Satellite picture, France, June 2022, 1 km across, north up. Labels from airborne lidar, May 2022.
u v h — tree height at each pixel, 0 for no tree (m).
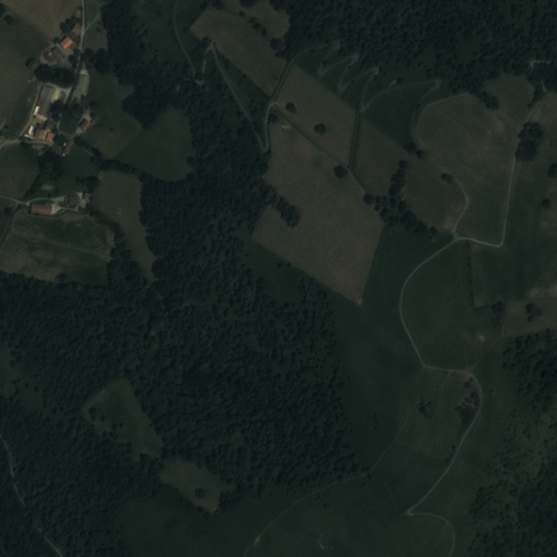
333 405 9
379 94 0
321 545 0
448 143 0
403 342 0
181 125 0
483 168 0
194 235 14
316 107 0
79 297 18
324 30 14
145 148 0
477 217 0
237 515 0
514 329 0
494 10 9
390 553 0
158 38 0
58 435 5
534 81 13
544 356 17
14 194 0
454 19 14
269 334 11
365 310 0
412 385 0
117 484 12
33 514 12
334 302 0
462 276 0
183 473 0
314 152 0
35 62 12
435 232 19
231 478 13
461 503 0
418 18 9
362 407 0
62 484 7
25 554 13
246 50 0
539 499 18
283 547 0
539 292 0
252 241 0
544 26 11
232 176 9
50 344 8
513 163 0
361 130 0
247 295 14
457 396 0
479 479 0
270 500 0
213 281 15
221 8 15
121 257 17
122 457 16
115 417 0
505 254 0
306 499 0
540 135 16
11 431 8
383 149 0
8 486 12
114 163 18
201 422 16
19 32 0
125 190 0
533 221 0
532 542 15
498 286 0
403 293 0
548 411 13
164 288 24
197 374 22
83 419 6
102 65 22
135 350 17
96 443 10
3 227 0
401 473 0
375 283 0
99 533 11
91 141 0
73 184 0
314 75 0
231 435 15
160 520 0
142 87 22
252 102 7
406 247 0
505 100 0
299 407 23
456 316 0
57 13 0
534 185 0
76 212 0
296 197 0
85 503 7
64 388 11
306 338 12
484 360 0
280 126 0
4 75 0
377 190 0
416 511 0
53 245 0
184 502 9
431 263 0
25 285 10
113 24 18
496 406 0
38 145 0
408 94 0
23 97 0
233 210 12
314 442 17
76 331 14
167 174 0
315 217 0
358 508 0
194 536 0
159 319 19
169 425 19
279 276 0
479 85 15
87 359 14
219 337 15
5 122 0
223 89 15
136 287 20
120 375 13
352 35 11
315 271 0
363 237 0
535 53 8
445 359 0
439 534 0
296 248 0
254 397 19
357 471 14
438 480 0
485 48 9
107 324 19
